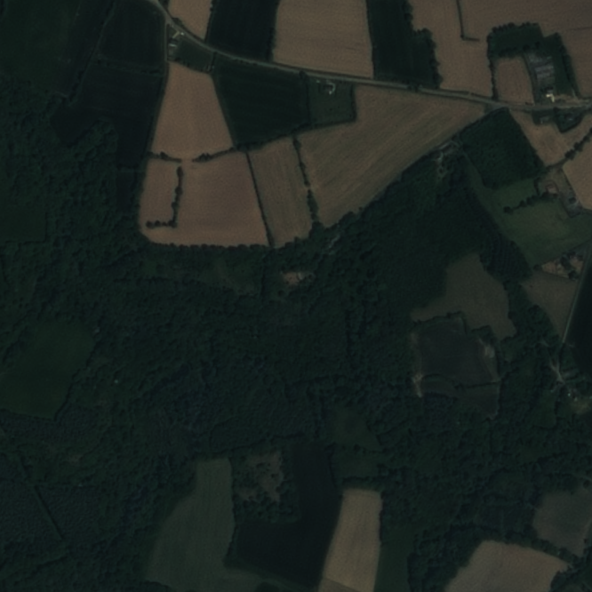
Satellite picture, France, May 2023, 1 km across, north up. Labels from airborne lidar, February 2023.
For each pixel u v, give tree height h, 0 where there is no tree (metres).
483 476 9
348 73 0
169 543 0
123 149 0
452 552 23
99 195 13
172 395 15
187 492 8
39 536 20
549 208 0
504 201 0
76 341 0
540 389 13
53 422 8
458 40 0
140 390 11
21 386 0
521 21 0
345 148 0
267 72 0
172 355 18
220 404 18
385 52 0
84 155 17
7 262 17
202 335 16
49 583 10
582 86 0
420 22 0
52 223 9
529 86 0
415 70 0
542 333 13
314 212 10
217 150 0
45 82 0
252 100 0
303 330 12
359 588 0
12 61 0
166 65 0
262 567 0
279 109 0
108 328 19
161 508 11
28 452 9
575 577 14
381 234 21
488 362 0
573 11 0
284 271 12
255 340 9
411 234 19
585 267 0
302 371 8
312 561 0
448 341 0
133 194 12
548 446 23
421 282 21
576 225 0
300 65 0
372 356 26
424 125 0
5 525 21
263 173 0
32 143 9
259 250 13
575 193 0
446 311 0
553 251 0
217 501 0
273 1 0
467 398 0
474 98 0
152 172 0
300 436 19
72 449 8
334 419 18
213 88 0
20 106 14
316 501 0
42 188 9
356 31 0
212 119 0
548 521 0
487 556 0
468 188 12
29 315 8
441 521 20
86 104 0
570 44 0
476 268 0
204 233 0
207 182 0
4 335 11
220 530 0
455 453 13
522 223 0
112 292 15
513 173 11
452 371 0
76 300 6
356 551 0
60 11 0
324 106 0
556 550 8
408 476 22
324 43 0
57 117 0
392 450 22
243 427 9
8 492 22
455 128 0
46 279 16
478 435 10
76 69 0
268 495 7
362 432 0
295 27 0
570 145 0
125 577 16
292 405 19
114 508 16
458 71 0
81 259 23
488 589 0
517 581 0
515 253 20
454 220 21
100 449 6
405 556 0
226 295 15
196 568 0
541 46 12
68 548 20
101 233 11
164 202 0
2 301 6
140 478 10
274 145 0
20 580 7
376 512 0
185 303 10
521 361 19
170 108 0
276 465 0
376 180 0
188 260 14
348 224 17
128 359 13
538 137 0
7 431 19
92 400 10
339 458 15
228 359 17
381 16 0
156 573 0
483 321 0
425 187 14
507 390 18
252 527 0
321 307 15
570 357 10
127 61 0
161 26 0
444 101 0
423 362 0
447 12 0
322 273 15
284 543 0
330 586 0
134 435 9
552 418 0
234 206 0
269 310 19
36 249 9
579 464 18
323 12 0
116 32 0
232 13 0
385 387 19
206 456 9
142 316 10
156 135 0
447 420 23
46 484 8
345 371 7
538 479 30
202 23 0
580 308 0
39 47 0
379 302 20
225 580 0
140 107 0
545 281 0
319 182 0
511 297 6
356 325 7
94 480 10
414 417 20
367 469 0
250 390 21
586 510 0
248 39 0
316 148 0
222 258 15
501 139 13
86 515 21
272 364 12
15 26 0
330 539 0
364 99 0
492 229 35
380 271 16
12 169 16
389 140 0
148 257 21
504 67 0
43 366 0
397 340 20
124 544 21
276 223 0
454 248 21
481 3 0
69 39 0
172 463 18
